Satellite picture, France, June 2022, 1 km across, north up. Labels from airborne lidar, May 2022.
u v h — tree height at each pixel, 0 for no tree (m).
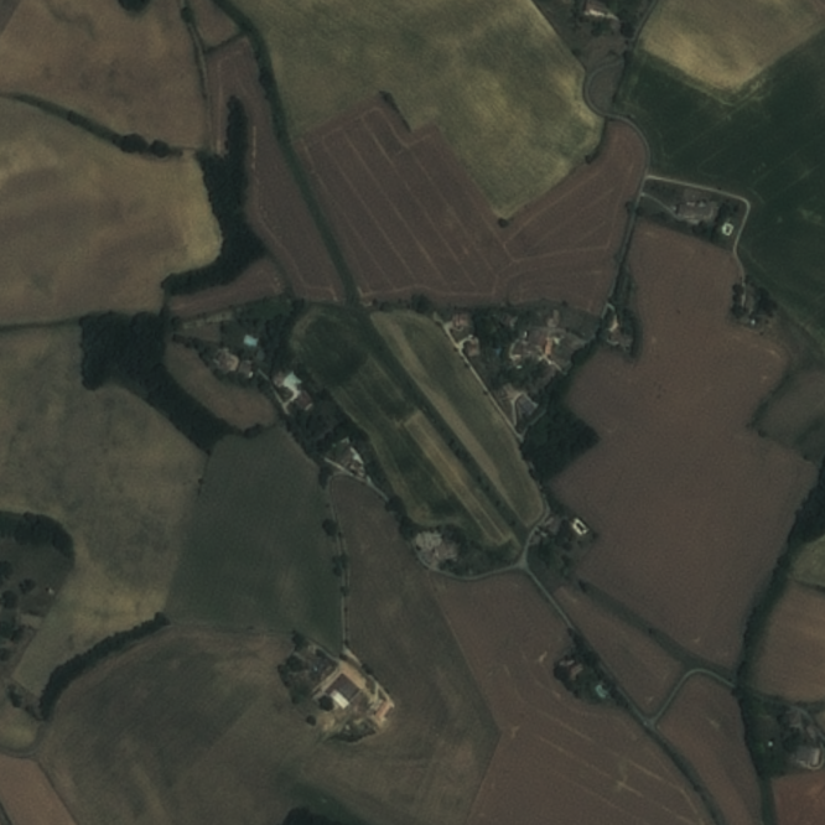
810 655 0
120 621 0
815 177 0
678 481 0
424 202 0
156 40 0
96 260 0
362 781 0
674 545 0
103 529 0
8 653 12
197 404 17
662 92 0
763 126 0
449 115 0
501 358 8
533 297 0
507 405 0
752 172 0
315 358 0
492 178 0
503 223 12
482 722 0
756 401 0
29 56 0
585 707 0
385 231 0
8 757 0
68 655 0
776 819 0
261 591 0
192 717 0
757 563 0
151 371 16
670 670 0
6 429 0
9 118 0
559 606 0
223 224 7
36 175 0
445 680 0
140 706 0
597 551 0
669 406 0
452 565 15
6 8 0
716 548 0
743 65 0
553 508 8
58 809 0
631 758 0
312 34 0
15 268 0
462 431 0
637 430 0
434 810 0
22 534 13
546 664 0
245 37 0
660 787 0
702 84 0
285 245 0
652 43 0
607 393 0
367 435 8
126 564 0
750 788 0
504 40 0
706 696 0
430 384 0
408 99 0
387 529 0
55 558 0
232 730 0
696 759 0
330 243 0
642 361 0
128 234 0
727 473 0
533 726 0
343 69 0
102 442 0
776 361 0
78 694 0
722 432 0
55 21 0
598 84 0
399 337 0
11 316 0
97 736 0
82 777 0
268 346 21
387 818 0
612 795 0
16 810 0
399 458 0
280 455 0
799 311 0
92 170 0
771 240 0
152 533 0
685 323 0
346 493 0
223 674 0
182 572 0
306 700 0
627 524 0
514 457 0
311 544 0
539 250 0
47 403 0
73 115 14
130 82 0
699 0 0
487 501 0
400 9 0
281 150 0
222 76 0
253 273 0
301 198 0
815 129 0
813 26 0
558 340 0
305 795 0
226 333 10
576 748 0
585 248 0
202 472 0
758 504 0
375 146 0
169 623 11
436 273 0
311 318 0
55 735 0
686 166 0
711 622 0
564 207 0
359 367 0
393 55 0
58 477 0
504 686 0
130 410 0
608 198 0
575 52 7
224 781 0
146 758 0
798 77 0
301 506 0
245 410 0
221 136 0
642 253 0
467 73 0
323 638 0
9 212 0
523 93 0
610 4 10
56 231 0
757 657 0
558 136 0
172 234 0
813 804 0
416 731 0
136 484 0
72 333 0
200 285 17
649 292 0
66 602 0
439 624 0
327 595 0
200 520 0
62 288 0
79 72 0
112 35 0
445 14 0
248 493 0
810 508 25
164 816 0
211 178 15
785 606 0
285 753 0
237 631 0
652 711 0
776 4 0
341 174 0
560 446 10
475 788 0
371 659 0
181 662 0
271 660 0
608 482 0
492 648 0
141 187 0
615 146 0
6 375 0
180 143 0
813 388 0
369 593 0
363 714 0
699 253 0
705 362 0
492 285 0
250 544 0
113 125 0
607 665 0
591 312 0
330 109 0
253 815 0
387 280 0
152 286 0
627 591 0
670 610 0
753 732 12
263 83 14
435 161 0
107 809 0
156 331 19
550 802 0
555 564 12
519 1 0
